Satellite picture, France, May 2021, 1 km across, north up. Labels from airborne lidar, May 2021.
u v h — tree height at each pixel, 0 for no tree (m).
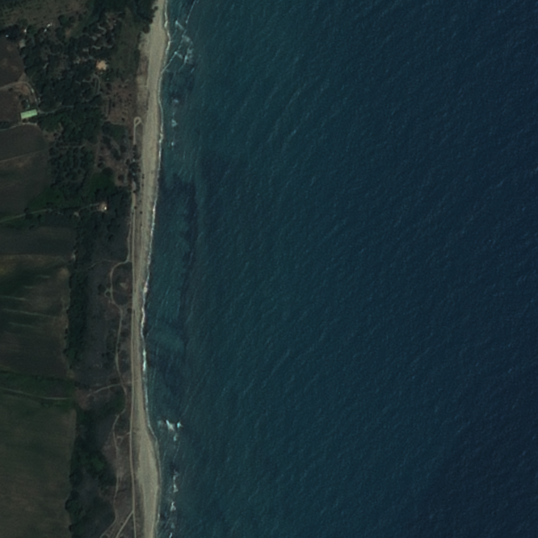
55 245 0
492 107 0
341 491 0
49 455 0
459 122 0
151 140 0
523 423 0
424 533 0
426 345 0
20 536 0
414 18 0
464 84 0
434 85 0
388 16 0
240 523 0
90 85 6
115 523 0
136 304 0
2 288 0
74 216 7
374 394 0
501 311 0
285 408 0
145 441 0
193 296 0
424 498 0
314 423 0
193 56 0
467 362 0
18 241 0
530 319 0
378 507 0
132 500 0
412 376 0
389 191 0
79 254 11
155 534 0
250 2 0
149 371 0
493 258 0
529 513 0
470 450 0
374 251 0
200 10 0
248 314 0
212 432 0
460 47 0
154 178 0
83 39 9
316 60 0
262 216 0
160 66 0
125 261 0
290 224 0
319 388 0
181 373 0
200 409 0
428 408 0
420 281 0
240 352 0
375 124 0
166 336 0
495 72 0
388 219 0
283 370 0
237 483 0
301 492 0
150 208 0
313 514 0
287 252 0
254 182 0
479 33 0
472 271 0
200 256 0
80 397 0
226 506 0
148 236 0
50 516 0
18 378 0
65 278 0
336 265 0
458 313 0
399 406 0
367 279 0
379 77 0
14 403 0
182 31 0
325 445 0
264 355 0
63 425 0
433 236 0
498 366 0
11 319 0
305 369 0
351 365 0
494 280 0
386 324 0
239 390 0
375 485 0
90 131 11
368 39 0
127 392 0
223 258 0
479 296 0
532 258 0
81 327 6
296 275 0
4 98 0
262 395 0
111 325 0
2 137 0
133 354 0
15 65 0
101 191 14
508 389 0
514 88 0
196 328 0
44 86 13
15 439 0
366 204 0
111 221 8
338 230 0
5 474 0
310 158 0
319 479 0
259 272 0
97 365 0
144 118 0
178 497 0
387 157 0
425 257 0
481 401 0
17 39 24
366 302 0
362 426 0
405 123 0
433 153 0
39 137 0
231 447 0
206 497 0
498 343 0
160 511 0
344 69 0
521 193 0
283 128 0
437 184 0
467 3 0
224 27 0
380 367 0
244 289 0
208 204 0
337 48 0
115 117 0
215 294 0
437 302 0
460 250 0
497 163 0
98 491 0
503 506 0
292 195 0
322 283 0
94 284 0
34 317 0
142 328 0
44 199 0
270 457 0
